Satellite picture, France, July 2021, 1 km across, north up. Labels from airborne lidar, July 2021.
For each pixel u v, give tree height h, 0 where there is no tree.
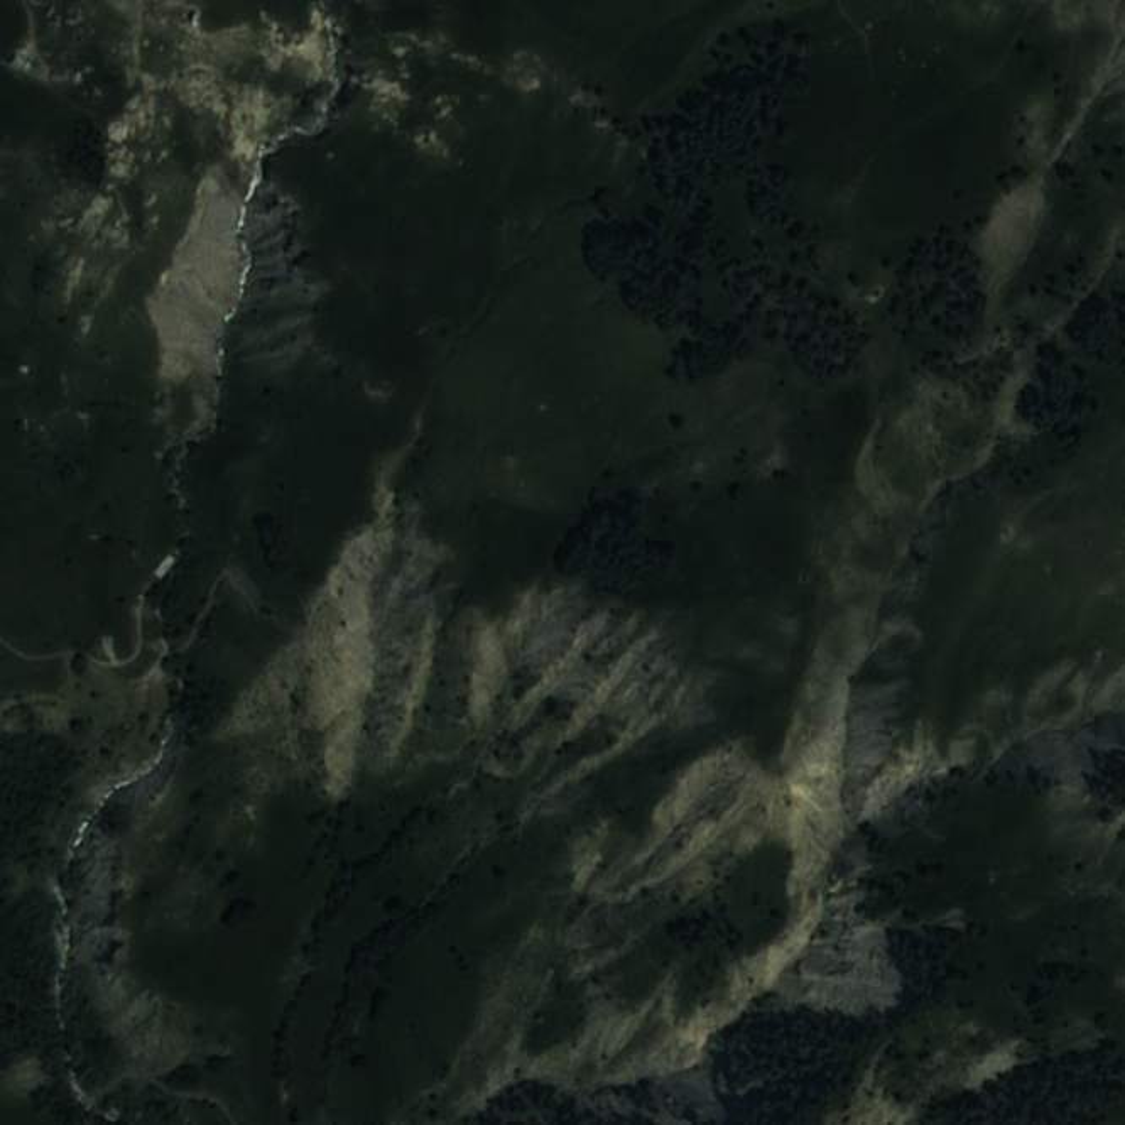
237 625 0
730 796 0
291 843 0
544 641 0
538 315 0
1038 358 11
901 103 0
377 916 0
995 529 0
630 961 0
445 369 0
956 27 0
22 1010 6
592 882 0
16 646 0
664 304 29
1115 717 0
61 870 6
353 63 0
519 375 0
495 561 0
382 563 0
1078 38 0
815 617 0
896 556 0
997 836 0
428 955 0
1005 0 0
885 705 0
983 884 0
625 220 0
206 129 0
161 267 0
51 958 9
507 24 0
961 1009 9
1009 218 0
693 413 0
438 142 0
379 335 0
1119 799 10
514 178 0
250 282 0
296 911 0
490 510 0
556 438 0
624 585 27
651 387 0
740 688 0
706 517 0
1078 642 0
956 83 0
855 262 0
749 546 0
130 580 0
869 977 0
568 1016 0
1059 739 0
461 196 0
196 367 0
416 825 14
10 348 0
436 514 0
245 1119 0
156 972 0
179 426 0
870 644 0
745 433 0
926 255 13
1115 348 26
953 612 0
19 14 0
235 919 18
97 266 0
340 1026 16
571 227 0
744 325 11
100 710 0
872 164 0
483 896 0
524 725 0
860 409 0
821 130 0
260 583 0
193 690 11
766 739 0
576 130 0
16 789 14
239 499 0
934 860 0
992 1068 0
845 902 0
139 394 0
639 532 29
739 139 26
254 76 0
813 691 0
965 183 0
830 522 0
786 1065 22
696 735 0
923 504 0
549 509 0
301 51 0
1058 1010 0
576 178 0
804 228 17
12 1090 0
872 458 0
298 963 0
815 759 0
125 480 0
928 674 0
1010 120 0
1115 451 0
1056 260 0
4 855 19
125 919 0
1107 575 0
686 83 0
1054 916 0
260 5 0
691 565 0
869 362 0
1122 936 0
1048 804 0
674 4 0
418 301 0
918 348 0
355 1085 0
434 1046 0
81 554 0
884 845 14
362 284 0
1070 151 0
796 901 0
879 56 0
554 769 0
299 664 0
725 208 0
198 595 0
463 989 0
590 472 0
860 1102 0
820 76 0
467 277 0
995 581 0
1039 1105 18
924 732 0
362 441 0
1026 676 0
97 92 0
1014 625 0
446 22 0
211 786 0
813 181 0
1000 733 0
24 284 0
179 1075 14
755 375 0
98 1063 6
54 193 0
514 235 0
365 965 21
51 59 0
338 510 0
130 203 0
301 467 0
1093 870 0
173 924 0
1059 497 0
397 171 0
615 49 0
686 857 0
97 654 0
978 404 0
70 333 0
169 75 0
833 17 0
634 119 0
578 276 0
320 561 0
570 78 0
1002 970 0
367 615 0
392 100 0
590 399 0
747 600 0
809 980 0
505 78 0
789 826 0
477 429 0
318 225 0
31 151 0
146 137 0
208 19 0
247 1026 0
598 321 0
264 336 0
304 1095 0
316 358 0
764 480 0
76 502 0
